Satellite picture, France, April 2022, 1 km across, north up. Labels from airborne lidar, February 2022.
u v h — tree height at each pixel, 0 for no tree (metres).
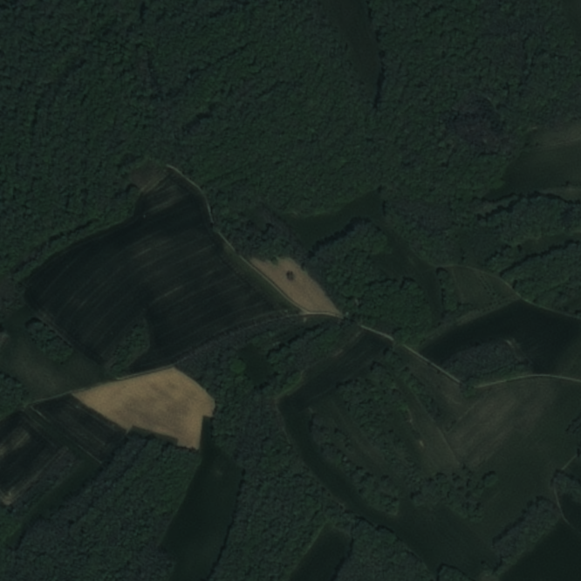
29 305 0
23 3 22
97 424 0
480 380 17
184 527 0
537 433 0
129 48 21
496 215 16
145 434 0
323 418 8
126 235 0
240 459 17
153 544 24
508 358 17
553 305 8
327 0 0
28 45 23
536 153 0
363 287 18
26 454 0
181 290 0
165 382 0
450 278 17
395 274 0
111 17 17
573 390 0
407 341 16
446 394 0
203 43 21
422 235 20
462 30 22
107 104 20
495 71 24
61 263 0
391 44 22
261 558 19
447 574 16
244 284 0
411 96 27
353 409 15
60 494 0
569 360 0
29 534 19
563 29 23
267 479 18
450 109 17
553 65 24
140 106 18
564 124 16
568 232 13
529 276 15
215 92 21
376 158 23
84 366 0
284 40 21
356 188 22
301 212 22
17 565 19
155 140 21
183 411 0
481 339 0
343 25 0
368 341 0
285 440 14
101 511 21
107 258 0
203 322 0
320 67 18
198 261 0
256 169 17
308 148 20
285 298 0
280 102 21
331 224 0
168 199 0
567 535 0
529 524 23
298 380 17
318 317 0
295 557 12
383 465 0
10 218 22
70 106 19
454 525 0
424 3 23
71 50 23
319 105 22
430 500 13
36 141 19
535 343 0
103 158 20
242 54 21
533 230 21
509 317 0
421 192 17
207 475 0
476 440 0
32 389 0
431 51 24
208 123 22
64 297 0
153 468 25
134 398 0
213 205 12
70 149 19
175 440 0
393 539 22
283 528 16
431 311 12
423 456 0
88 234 18
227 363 23
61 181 21
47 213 19
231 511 0
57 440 0
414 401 0
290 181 21
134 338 6
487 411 0
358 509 0
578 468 0
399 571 22
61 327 0
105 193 25
